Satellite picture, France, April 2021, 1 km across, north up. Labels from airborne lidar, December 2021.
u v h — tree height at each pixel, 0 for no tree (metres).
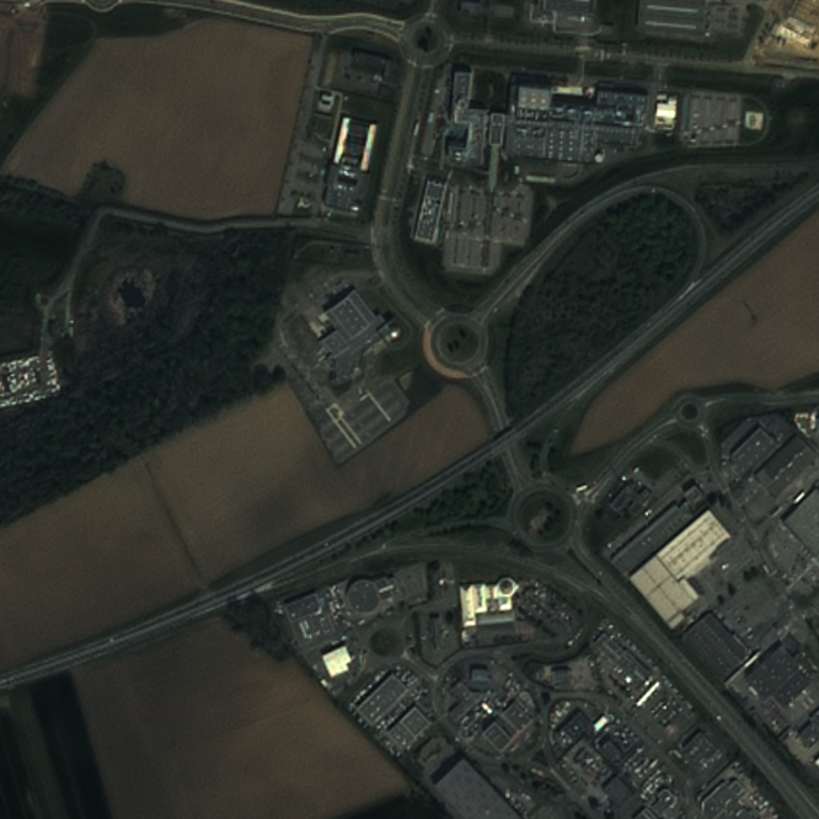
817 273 0
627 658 0
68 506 0
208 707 0
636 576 0
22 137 0
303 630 0
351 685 0
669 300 0
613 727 0
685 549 0
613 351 0
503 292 0
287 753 0
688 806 0
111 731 0
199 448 0
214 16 0
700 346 0
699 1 0
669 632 0
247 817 0
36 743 0
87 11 0
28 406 0
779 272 0
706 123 0
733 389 0
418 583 0
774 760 0
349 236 0
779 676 0
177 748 0
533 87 0
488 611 0
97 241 0
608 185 0
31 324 0
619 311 7
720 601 9
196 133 0
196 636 0
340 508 0
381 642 0
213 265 6
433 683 0
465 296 0
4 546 0
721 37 0
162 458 0
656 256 10
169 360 12
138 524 0
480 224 0
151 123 0
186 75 0
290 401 0
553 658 0
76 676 0
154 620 0
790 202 0
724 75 0
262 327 19
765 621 0
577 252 0
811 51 0
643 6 0
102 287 0
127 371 10
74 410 8
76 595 0
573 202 0
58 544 0
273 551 0
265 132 0
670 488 0
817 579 0
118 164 0
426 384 0
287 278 11
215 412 19
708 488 0
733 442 0
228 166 0
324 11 0
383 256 0
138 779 0
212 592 0
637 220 14
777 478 0
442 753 0
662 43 0
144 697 0
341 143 0
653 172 0
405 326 0
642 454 0
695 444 0
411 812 0
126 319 0
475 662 0
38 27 0
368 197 0
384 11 0
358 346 0
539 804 0
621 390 0
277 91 0
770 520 0
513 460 0
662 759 0
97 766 0
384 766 0
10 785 0
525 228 0
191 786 0
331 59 0
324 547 0
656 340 0
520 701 0
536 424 0
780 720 0
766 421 0
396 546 0
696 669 0
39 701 0
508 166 0
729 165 0
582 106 0
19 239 0
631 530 0
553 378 8
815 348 0
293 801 0
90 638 0
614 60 0
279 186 0
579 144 0
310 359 0
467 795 0
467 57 0
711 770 0
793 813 0
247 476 0
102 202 0
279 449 0
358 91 0
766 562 0
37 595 0
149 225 0
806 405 0
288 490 0
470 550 0
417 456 0
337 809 0
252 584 0
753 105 0
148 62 0
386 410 0
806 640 0
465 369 0
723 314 0
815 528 0
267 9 0
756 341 0
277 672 0
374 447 0
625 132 0
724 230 16
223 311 24
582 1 0
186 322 16
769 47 0
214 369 25
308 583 0
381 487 0
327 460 0
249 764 0
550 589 7
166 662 0
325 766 0
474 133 0
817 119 0
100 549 0
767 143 0
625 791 0
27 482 15
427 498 0
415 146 0
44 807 0
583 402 0
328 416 0
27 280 0
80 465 15
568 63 0
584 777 0
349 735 0
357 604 0
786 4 0
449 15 0
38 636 0
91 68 0
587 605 0
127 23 0
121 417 9
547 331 10
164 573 0
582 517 0
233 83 0
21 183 7
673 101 0
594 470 0
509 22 0
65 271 0
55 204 7
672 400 0
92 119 0
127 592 0
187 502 0
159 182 0
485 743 0
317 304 0
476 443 0
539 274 0
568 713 0
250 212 0
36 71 0
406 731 0
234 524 0
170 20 0
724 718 0
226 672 0
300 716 0
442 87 0
